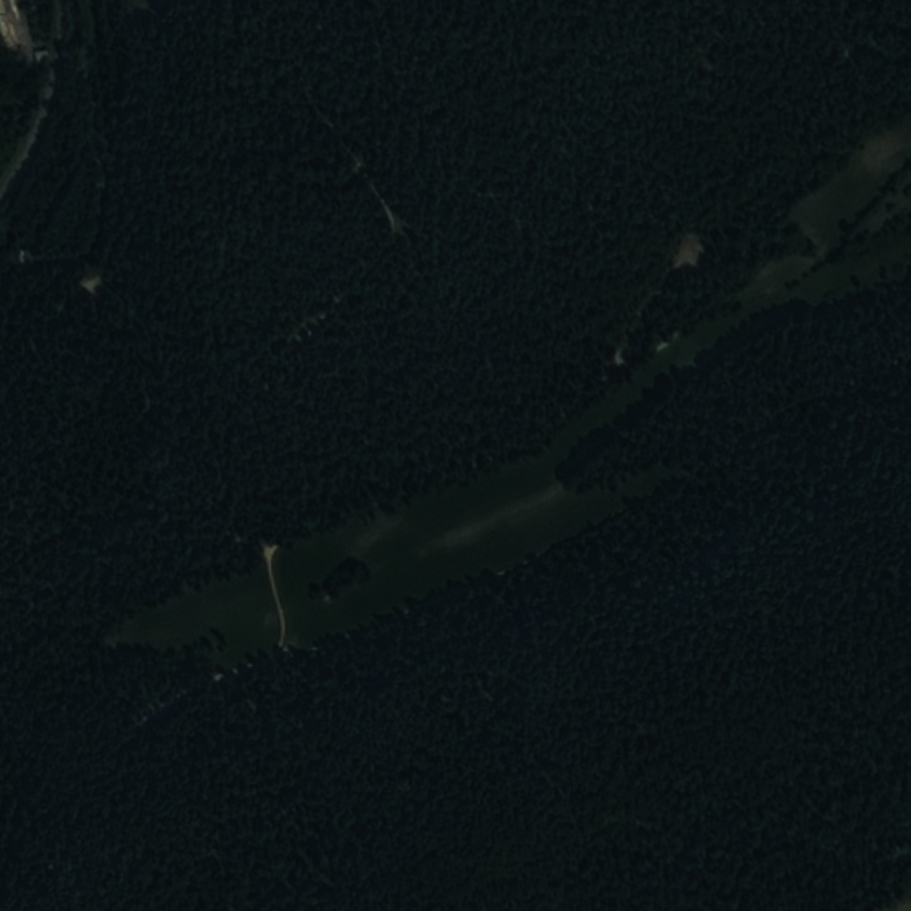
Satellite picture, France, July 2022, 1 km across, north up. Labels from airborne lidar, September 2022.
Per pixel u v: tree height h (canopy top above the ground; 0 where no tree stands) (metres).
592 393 23
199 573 38
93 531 7
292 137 21
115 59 10
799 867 11
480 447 24
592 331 20
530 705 23
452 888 21
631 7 18
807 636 30
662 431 21
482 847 19
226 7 24
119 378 18
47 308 26
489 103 19
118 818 25
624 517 9
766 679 23
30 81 17
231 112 23
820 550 26
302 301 17
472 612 34
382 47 22
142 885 20
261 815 32
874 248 7
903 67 32
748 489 11
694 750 23
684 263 0
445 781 27
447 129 22
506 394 26
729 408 29
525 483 0
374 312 18
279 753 27
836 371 36
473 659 30
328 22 20
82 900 25
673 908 25
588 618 28
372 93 23
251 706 34
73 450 7
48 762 34
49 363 8
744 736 22
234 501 22
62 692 28
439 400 20
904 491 24
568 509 0
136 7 0
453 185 13
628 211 14
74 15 24
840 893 29
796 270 0
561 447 0
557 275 19
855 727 21
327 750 25
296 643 0
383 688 31
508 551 0
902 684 23
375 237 19
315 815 6
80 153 12
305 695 16
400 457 22
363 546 0
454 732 27
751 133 21
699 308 19
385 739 20
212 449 25
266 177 35
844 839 22
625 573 9
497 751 25
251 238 15
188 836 23
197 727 13
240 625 0
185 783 28
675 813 25
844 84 28
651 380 0
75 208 20
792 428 27
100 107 8
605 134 20
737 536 29
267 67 21
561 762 24
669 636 23
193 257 16
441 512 0
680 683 27
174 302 26
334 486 24
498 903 24
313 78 19
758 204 23
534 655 24
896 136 0
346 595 0
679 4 18
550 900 29
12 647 11
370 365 8
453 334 16
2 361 16
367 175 20
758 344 29
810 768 22
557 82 17
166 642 0
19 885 33
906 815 26
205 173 22
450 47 22
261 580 0
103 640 20
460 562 0
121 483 6
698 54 19
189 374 23
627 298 22
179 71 20
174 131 25
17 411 22
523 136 13
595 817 24
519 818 22
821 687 19
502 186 28
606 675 25
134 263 30
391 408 15
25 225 15
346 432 18
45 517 18
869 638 24
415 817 33
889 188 8
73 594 23
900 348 28
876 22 27
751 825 27
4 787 28
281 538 23
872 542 29
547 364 27
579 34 17
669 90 15
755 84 23
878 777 20
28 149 0
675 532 27
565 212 18
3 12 0
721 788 22
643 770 23
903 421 30
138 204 28
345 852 29
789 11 20
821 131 22
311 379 17
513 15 22
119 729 32
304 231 25
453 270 21
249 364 23
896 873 22
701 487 7
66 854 32
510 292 17
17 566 15
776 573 19
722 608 22
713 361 26
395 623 21
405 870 27
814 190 7
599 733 26
